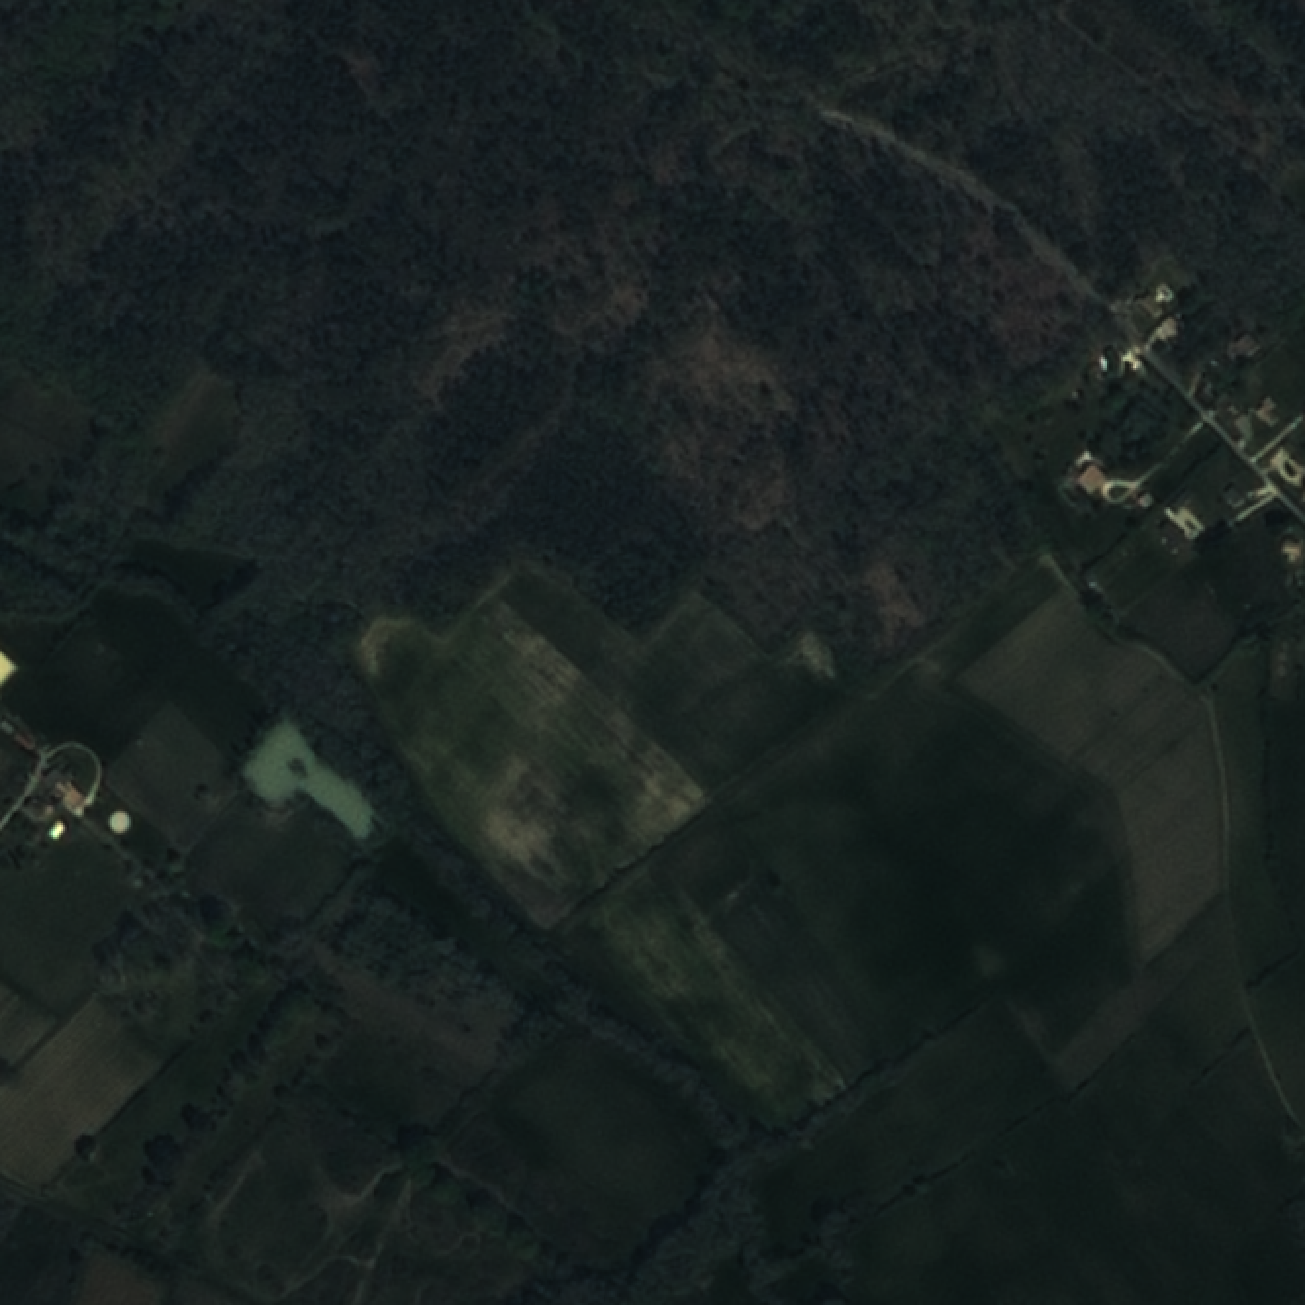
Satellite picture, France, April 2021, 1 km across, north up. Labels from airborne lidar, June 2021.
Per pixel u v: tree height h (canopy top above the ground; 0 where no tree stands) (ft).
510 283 28
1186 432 27
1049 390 58
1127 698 0
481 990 51
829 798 0
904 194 76
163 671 0
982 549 48
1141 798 0
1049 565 0
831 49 76
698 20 38
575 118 65
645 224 54
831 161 27
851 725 0
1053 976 0
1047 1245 0
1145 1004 0
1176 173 58
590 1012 64
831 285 54
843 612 47
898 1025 0
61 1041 0
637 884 0
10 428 0
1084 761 0
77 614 59
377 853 25
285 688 53
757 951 0
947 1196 0
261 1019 0
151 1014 28
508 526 43
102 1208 0
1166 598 0
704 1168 0
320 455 42
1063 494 0
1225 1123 0
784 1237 0
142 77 57
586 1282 72
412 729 0
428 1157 72
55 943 0
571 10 57
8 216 71
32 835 23
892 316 40
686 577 59
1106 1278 0
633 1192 0
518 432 53
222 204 35
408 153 49
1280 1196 0
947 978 0
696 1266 76
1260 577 0
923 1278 0
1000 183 78
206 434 0
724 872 0
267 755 0
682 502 20
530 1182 0
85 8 63
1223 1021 0
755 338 53
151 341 78
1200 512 0
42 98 72
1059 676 0
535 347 60
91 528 29
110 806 0
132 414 76
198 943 59
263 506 41
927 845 0
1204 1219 0
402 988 19
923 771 0
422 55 61
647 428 33
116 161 72
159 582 40
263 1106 0
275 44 41
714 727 0
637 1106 0
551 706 0
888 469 49
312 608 36
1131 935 0
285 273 52
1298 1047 0
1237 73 54
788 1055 0
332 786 0
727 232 88
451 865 68
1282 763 0
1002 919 0
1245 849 0
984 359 25
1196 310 26
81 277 40
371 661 0
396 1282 0
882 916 0
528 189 61
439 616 72
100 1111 0
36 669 0
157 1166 65
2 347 72
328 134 35
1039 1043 0
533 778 0
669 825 0
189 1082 0
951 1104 0
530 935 54
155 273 66
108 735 0
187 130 48
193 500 62
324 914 24
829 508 39
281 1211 0
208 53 20
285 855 0
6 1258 0
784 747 0
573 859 0
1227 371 48
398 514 48
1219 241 57
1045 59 51
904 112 26
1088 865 0
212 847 0
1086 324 58
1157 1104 0
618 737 0
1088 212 32
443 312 55
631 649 0
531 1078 0
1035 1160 0
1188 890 0
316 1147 0
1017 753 0
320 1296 0
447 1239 0
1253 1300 0
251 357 68
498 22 54
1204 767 0
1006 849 0
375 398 56
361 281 51
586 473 38
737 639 0
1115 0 68
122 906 0
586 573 47
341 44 49
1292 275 46
